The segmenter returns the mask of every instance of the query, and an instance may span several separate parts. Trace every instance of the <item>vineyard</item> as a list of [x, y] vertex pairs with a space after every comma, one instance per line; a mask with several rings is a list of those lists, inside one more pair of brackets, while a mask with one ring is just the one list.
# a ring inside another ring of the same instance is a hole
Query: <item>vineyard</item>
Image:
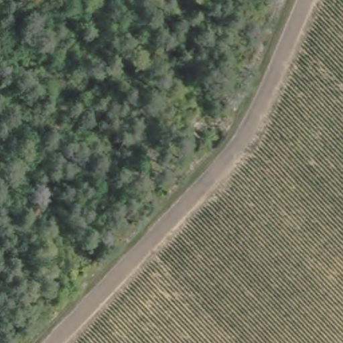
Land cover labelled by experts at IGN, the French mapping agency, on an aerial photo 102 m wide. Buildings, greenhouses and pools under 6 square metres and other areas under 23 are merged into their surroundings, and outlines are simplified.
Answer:
[[157, 263], [154, 261], [143, 264], [142, 273], [131, 281], [129, 288], [114, 296], [107, 310], [95, 316], [95, 323], [87, 324], [75, 343], [343, 343], [343, 0], [319, 0], [311, 16], [314, 21], [308, 23], [308, 32], [297, 47], [296, 59], [289, 64], [285, 75], [289, 84], [281, 96], [281, 102], [273, 103], [271, 114], [268, 115], [271, 125], [259, 131], [256, 141], [245, 147], [245, 153], [252, 153], [253, 158], [248, 158], [243, 166], [237, 167], [230, 178], [229, 188], [217, 201], [202, 206], [200, 212], [186, 221], [185, 228], [178, 233], [176, 240], [163, 248], [161, 260]]

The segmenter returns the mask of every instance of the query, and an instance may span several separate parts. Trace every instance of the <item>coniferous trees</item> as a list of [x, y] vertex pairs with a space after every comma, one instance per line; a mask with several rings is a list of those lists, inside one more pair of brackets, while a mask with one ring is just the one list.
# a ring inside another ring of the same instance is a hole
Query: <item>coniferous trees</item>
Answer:
[[[29, 171], [28, 159], [25, 158], [23, 150], [11, 151], [7, 157], [8, 163], [0, 162], [0, 343], [9, 343], [19, 335], [27, 335], [23, 327], [17, 326], [16, 315], [19, 311], [28, 310], [23, 303], [23, 297], [31, 292], [33, 283], [39, 283], [40, 291], [47, 292], [47, 280], [59, 277], [60, 271], [56, 265], [58, 259], [55, 257], [58, 255], [58, 248], [55, 247], [55, 243], [60, 236], [63, 237], [64, 244], [74, 248], [76, 255], [95, 263], [113, 249], [115, 237], [137, 229], [143, 217], [149, 217], [153, 213], [154, 201], [150, 200], [151, 194], [166, 194], [167, 190], [162, 189], [166, 178], [165, 171], [154, 171], [151, 169], [151, 162], [165, 162], [169, 143], [174, 143], [177, 147], [184, 146], [184, 129], [174, 126], [178, 98], [180, 95], [188, 94], [186, 86], [196, 87], [197, 105], [200, 106], [201, 115], [204, 117], [214, 110], [214, 98], [226, 95], [230, 83], [230, 67], [236, 62], [238, 55], [248, 52], [252, 44], [251, 32], [237, 24], [238, 8], [253, 0], [103, 0], [102, 7], [96, 9], [92, 15], [91, 23], [86, 23], [84, 19], [68, 17], [66, 25], [60, 24], [59, 32], [51, 31], [46, 35], [42, 31], [46, 21], [44, 17], [38, 12], [31, 15], [29, 11], [16, 11], [15, 1], [19, 0], [0, 0], [0, 20], [3, 20], [1, 27], [9, 27], [9, 33], [15, 40], [13, 50], [29, 50], [36, 46], [42, 52], [50, 52], [43, 62], [43, 67], [32, 60], [25, 66], [20, 60], [20, 71], [17, 74], [5, 64], [0, 64], [0, 138], [7, 138], [9, 131], [19, 127], [21, 121], [50, 127], [55, 123], [66, 123], [72, 126], [72, 133], [95, 133], [99, 138], [107, 138], [99, 147], [92, 142], [90, 147], [78, 149], [78, 143], [71, 143], [67, 153], [59, 158], [58, 165], [43, 159], [35, 169]], [[51, 105], [50, 96], [44, 95], [43, 87], [54, 80], [58, 80], [62, 87], [56, 107]], [[15, 188], [21, 184], [27, 185], [28, 190], [38, 186], [36, 202], [39, 205], [36, 206], [36, 210], [31, 209], [29, 213], [21, 208], [17, 213], [8, 214], [7, 210], [12, 204], [8, 188]]]

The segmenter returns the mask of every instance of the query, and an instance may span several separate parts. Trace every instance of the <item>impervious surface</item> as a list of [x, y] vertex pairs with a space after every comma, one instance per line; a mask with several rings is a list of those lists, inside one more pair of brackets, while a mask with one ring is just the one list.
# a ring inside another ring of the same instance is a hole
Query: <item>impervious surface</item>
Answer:
[[75, 307], [52, 328], [42, 343], [75, 343], [87, 324], [95, 323], [95, 316], [107, 310], [114, 296], [129, 288], [131, 281], [142, 273], [143, 264], [154, 261], [157, 263], [161, 260], [163, 248], [176, 240], [178, 233], [185, 228], [186, 221], [200, 212], [202, 206], [217, 201], [229, 188], [230, 178], [237, 167], [243, 166], [248, 158], [253, 158], [252, 153], [245, 153], [245, 147], [256, 141], [259, 131], [271, 125], [268, 115], [271, 114], [273, 103], [281, 102], [281, 96], [289, 84], [285, 75], [289, 64], [296, 59], [297, 47], [308, 32], [308, 23], [314, 21], [311, 16], [319, 0], [295, 0], [281, 29], [279, 40], [273, 48], [259, 90], [253, 95], [248, 110], [238, 123], [236, 133], [220, 145], [220, 153], [212, 165], [145, 230], [141, 240], [119, 257], [114, 267], [90, 292], [84, 292], [82, 297], [75, 300]]

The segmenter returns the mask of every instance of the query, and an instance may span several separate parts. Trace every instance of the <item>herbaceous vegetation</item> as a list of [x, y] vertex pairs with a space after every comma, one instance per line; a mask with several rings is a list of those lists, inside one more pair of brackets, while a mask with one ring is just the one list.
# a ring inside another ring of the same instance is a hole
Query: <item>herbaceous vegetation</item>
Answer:
[[149, 217], [143, 217], [137, 229], [115, 237], [113, 249], [95, 263], [76, 255], [74, 248], [64, 244], [63, 237], [60, 236], [55, 243], [55, 247], [58, 248], [58, 255], [55, 257], [58, 259], [56, 265], [60, 271], [59, 277], [47, 280], [47, 292], [40, 291], [39, 283], [33, 283], [31, 292], [23, 297], [23, 303], [28, 310], [19, 311], [16, 315], [17, 326], [23, 327], [27, 335], [19, 335], [9, 343], [42, 343], [52, 328], [75, 307], [75, 300], [82, 297], [84, 292], [90, 292], [114, 267], [119, 257], [141, 240], [145, 230], [212, 165], [220, 153], [220, 145], [236, 133], [238, 123], [248, 110], [253, 95], [259, 90], [273, 48], [279, 40], [281, 29], [295, 0], [253, 0], [238, 8], [237, 24], [251, 32], [252, 44], [248, 52], [238, 55], [236, 62], [230, 67], [230, 83], [226, 95], [214, 98], [214, 110], [204, 117], [201, 115], [200, 106], [197, 105], [196, 87], [186, 86], [188, 94], [180, 95], [178, 98], [174, 126], [184, 129], [184, 146], [177, 147], [174, 143], [169, 143], [165, 162], [151, 162], [151, 169], [154, 171], [165, 171], [166, 178], [162, 189], [167, 190], [166, 194], [151, 194], [150, 200], [154, 201], [153, 213]]

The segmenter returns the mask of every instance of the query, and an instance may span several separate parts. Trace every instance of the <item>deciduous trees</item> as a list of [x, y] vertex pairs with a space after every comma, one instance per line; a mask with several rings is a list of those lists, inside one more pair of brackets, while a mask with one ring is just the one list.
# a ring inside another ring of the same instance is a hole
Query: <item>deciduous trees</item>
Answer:
[[42, 31], [46, 35], [51, 31], [59, 32], [60, 24], [66, 25], [68, 17], [84, 19], [86, 23], [91, 23], [92, 15], [96, 9], [102, 7], [103, 0], [19, 0], [15, 1], [16, 11], [29, 11], [31, 15], [38, 12], [44, 17], [46, 21]]
[[0, 64], [5, 64], [17, 74], [20, 71], [20, 60], [25, 66], [32, 60], [43, 67], [43, 62], [50, 52], [42, 52], [36, 46], [29, 50], [13, 50], [15, 40], [9, 33], [9, 27], [1, 27], [3, 20], [0, 20]]
[[54, 80], [43, 87], [44, 95], [50, 96], [51, 105], [56, 107], [62, 87], [58, 80]]
[[8, 188], [12, 204], [7, 210], [8, 214], [17, 213], [21, 208], [29, 213], [31, 209], [36, 210], [36, 206], [39, 205], [36, 202], [38, 186], [28, 190], [27, 185], [21, 184], [15, 188]]
[[67, 153], [71, 143], [78, 143], [78, 149], [90, 147], [92, 142], [99, 147], [107, 138], [99, 138], [95, 133], [72, 133], [72, 126], [66, 123], [55, 123], [50, 127], [21, 121], [19, 127], [9, 131], [7, 138], [0, 138], [0, 162], [8, 163], [7, 157], [11, 151], [23, 150], [25, 158], [28, 159], [29, 171], [35, 169], [43, 159], [58, 165], [59, 158]]

